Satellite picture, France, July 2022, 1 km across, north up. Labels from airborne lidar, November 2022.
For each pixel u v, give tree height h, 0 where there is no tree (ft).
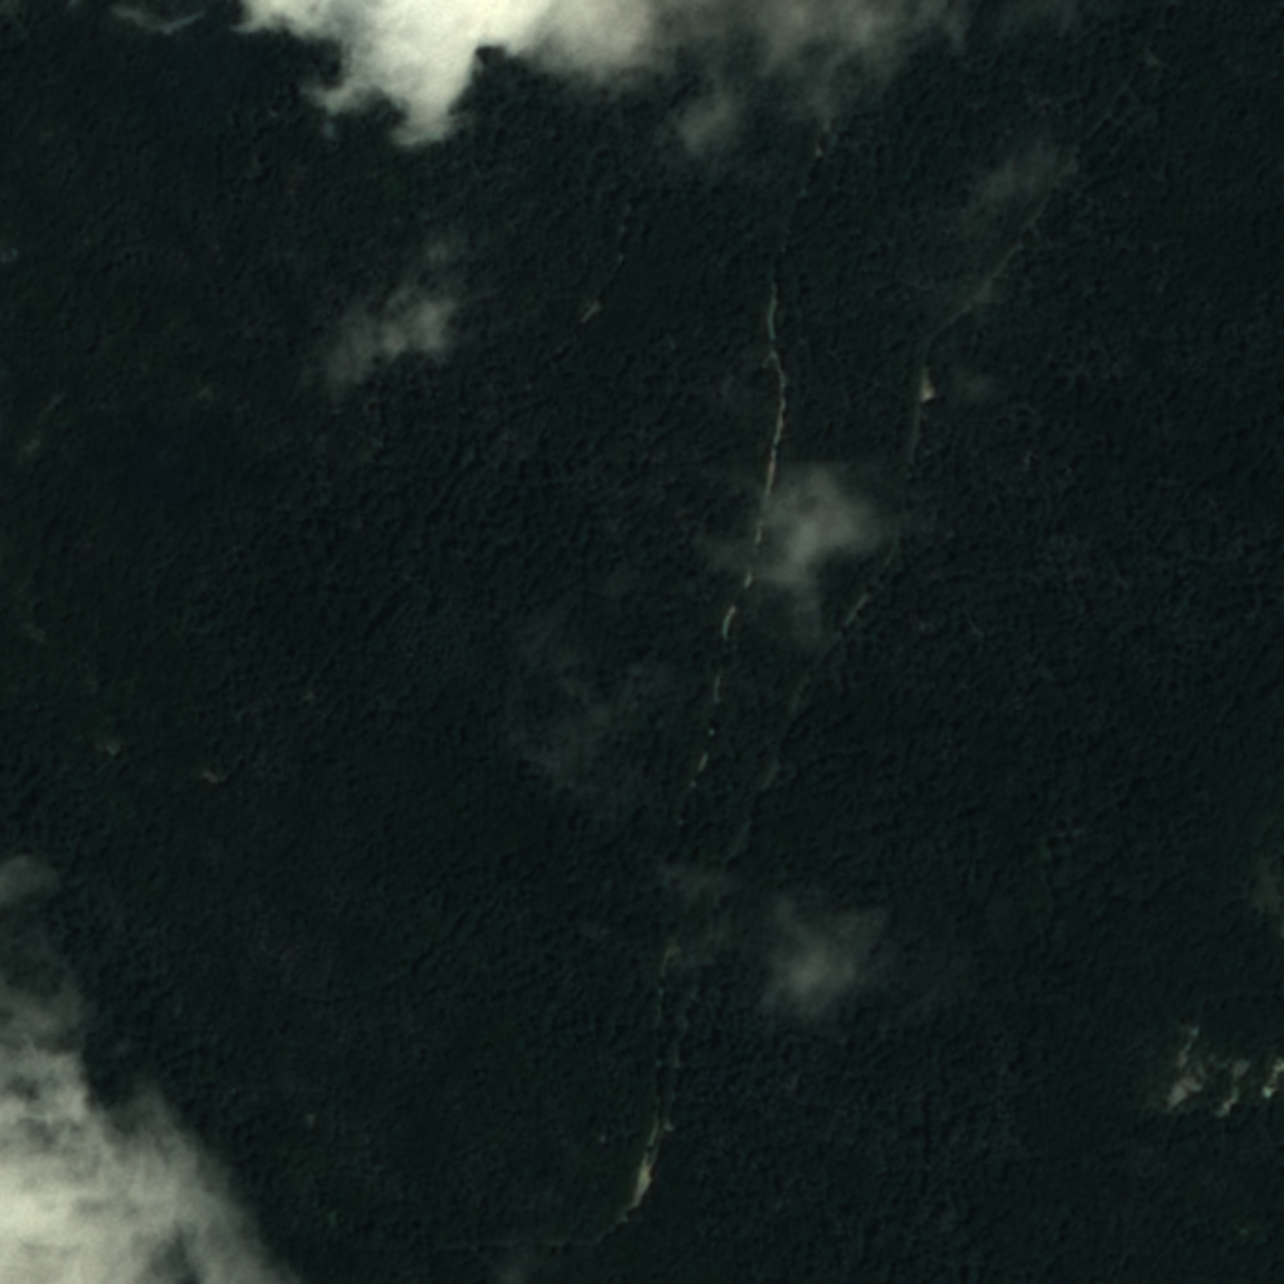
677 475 48
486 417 82
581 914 60
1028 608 74
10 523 31
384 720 60
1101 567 69
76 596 30
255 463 24
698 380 55
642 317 37
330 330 68
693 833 47
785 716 66
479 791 28
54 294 32
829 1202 72
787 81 19
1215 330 53
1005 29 38
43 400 34
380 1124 31
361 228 40
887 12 27
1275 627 48
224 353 34
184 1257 50
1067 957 53
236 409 27
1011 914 49
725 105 48
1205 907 43
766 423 48
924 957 66
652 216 41
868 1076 49
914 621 39
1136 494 30
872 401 59
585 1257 52
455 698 65
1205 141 49
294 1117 46
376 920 48
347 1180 42
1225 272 46
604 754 58
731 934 34
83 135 40
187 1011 58
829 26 56
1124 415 78
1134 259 61
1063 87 41
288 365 49
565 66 50
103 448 38
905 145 65
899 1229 43
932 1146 81
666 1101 32
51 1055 30
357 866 45
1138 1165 63
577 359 69
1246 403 28
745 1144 66
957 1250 45
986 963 70
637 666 61
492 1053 48
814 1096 85
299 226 46
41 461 29
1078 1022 43
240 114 41
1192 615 85
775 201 39
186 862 39
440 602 78
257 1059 57
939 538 65
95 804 24
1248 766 48
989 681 39
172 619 46
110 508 22
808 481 46
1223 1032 34
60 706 47
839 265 30
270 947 48
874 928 61
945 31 85
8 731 52
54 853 80
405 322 40
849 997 47
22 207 36
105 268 25
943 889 65
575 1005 64
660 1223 56
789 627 45
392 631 85
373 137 46
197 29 24
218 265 46
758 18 84
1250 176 52
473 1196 61
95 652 27
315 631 53
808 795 65
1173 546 82
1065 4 53
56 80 41
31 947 86
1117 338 61
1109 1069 45
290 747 47
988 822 72
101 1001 45
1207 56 50
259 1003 35
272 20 28
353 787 50
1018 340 45
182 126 73
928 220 40
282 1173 78
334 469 63
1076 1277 64
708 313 31
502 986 38
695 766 49
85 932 73
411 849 46
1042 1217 42
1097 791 53
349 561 61
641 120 79
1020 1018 25
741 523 43
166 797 39
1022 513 69
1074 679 27
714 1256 67
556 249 37
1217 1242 40
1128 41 66
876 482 34
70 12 54
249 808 60
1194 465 77
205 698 38
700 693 48
